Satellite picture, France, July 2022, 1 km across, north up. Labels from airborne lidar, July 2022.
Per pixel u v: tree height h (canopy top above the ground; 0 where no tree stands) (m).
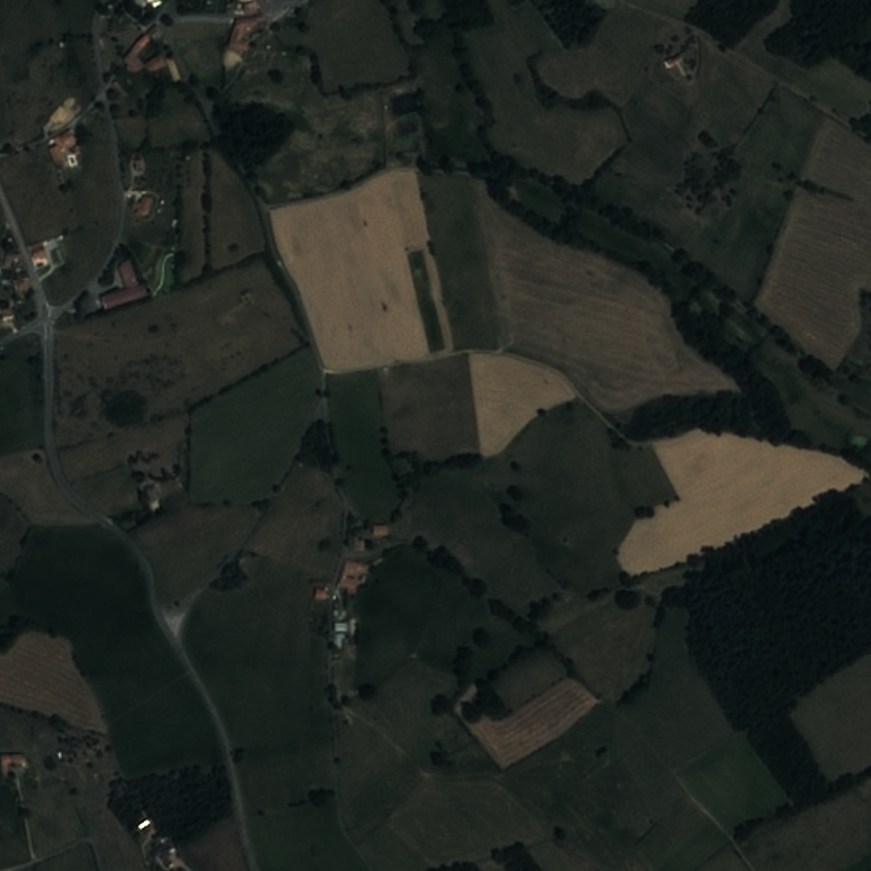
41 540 0
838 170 0
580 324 0
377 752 0
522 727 0
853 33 14
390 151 0
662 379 0
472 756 0
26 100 0
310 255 0
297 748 0
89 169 0
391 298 0
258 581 0
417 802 0
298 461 11
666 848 0
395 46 0
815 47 24
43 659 0
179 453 0
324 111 0
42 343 0
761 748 10
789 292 0
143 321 0
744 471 0
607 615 0
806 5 18
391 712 0
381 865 0
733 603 13
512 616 14
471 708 17
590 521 0
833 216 0
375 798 0
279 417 0
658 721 0
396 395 0
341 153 0
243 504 0
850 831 0
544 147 0
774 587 17
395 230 0
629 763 0
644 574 6
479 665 0
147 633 0
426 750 0
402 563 0
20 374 0
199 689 0
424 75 0
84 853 0
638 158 0
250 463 0
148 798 9
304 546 0
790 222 0
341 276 0
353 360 0
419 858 0
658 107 0
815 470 0
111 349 0
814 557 11
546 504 0
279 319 0
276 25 9
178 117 0
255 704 0
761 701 11
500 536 0
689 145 0
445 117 0
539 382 0
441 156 0
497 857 10
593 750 0
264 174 0
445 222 0
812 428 0
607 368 0
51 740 0
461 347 0
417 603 0
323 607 0
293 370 0
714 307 0
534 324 0
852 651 8
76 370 0
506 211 16
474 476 0
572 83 0
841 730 0
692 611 14
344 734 0
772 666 6
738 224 0
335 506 0
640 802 0
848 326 0
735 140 0
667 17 0
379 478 0
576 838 0
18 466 0
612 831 0
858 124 10
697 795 0
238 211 0
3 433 0
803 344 0
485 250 0
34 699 0
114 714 0
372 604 0
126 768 0
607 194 0
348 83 0
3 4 0
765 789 0
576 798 0
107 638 0
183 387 0
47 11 0
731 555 8
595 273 0
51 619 0
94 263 0
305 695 0
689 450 0
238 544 0
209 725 0
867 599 12
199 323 0
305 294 0
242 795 0
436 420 0
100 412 0
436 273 0
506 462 0
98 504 0
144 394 0
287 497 0
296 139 0
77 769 0
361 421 0
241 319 0
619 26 0
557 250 0
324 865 0
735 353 19
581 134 0
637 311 0
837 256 0
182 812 9
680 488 0
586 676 0
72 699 0
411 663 0
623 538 0
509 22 0
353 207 0
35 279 0
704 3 10
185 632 0
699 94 0
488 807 0
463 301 0
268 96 0
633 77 0
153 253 0
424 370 0
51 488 0
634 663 0
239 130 15
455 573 13
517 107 0
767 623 9
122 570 0
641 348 0
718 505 0
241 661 0
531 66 6
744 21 11
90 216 0
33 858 0
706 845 0
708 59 0
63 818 0
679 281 0
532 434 0
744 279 0
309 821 0
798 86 0
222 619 0
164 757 0
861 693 0
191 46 0
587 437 0
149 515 13
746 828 11
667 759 0
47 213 0
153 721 0
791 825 0
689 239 0
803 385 0
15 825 0
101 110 11
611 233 0
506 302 0
